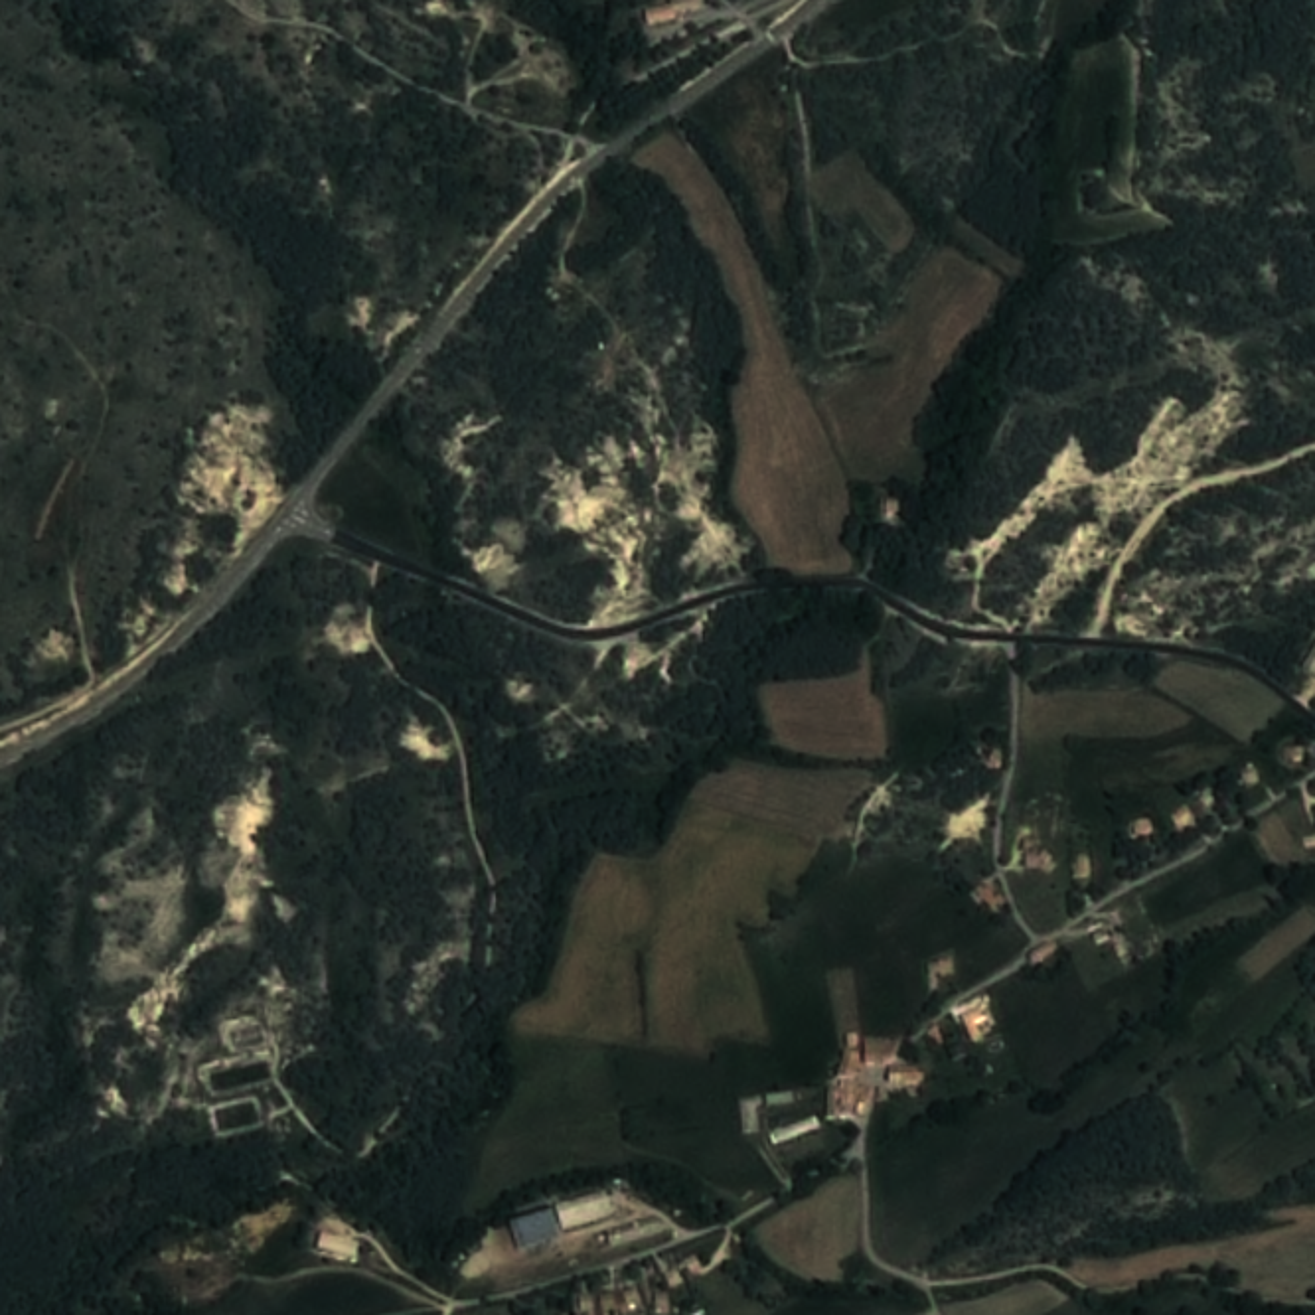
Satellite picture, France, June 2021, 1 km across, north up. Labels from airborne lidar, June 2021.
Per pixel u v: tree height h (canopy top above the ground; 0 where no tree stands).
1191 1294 0
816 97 6
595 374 0
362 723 10
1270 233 6
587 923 0
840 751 0
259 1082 0
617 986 0
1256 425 7
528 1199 10
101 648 6
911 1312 0
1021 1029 0
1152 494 0
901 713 0
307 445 9
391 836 10
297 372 12
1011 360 6
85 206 0
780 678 17
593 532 0
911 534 14
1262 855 0
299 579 9
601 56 15
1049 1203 5
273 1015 0
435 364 6
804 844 0
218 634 9
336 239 9
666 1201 7
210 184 14
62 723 0
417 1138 12
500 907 9
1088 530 0
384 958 0
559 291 0
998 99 6
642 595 0
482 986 12
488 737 11
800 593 12
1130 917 0
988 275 0
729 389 7
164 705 6
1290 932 0
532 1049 0
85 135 0
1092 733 0
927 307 0
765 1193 0
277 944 7
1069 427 6
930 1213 0
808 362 0
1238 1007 0
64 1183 10
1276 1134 0
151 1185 12
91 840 6
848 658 18
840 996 0
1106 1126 14
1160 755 0
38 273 0
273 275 8
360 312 0
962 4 6
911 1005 0
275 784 6
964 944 0
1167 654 0
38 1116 8
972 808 0
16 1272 16
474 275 0
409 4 7
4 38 0
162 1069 0
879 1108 0
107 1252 10
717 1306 0
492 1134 0
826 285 0
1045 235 12
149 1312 8
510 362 6
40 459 0
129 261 0
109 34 12
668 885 0
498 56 7
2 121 0
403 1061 10
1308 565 0
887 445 0
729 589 0
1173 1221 9
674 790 12
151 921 0
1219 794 11
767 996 0
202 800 8
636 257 0
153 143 0
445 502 9
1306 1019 8
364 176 7
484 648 8
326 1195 8
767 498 0
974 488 6
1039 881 0
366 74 7
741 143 0
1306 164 0
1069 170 0
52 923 7
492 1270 0
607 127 11
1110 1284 0
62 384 0
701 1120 0
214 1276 0
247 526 0
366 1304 0
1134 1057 0
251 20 0
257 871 0
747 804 0
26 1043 5
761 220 8
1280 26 10
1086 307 6
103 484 0
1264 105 6
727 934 0
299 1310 0
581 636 0
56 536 0
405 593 15
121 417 0
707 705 9
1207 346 0
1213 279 7
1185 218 9
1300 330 7
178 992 0
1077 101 0
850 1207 0
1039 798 0
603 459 0
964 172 6
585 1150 0
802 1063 0
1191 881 0
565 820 14
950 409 12
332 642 0
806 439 0
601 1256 0
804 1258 0
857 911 0
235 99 8
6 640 0
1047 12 0
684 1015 0
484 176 8
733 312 12
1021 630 6
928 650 6
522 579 0
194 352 0
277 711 7
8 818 9
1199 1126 0
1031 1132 0
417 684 10
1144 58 6
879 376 0
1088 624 0
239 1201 9
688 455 0
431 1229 13
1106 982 0
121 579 0
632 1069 0
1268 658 13
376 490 0
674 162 0
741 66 0
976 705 0
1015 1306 0
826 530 0
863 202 0
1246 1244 0
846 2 0
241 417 0
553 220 7
